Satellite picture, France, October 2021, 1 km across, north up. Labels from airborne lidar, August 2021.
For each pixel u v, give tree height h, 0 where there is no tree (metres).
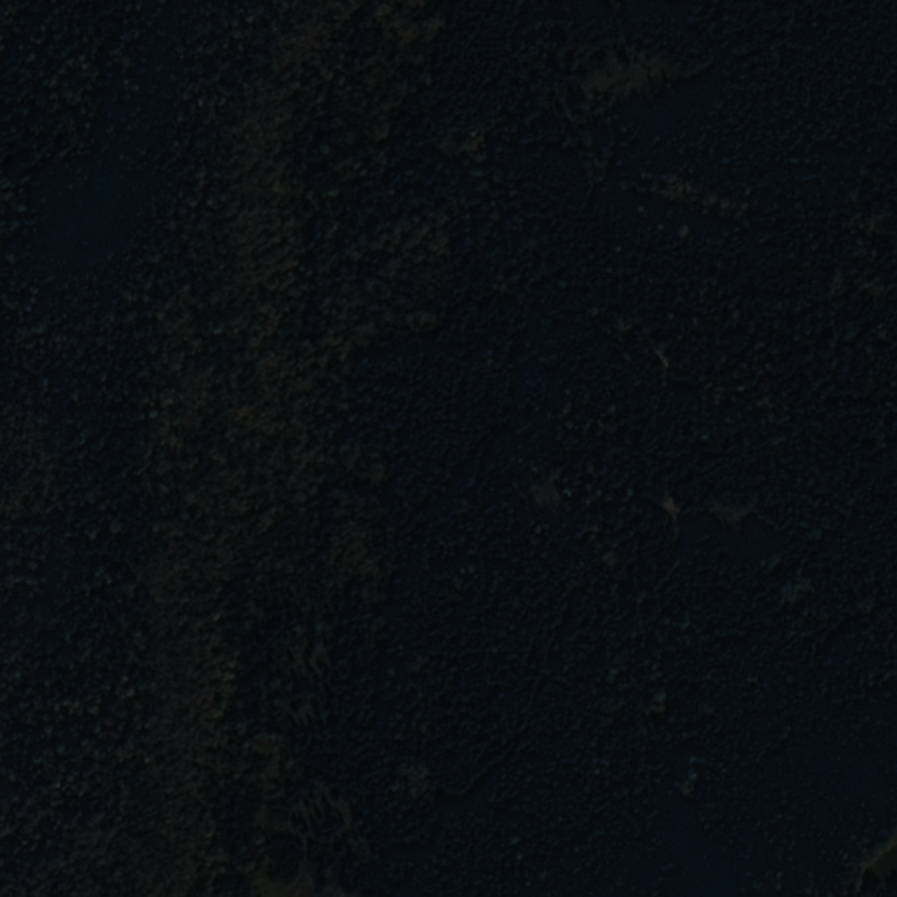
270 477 10
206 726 21
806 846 31
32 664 18
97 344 13
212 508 20
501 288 23
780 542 30
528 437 32
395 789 14
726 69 22
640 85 0
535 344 10
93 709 19
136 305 12
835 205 28
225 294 13
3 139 24
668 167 32
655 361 9
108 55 19
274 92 25
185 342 16
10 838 8
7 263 17
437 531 26
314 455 19
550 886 24
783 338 26
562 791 29
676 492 20
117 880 20
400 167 15
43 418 26
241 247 15
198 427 11
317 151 26
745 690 22
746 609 25
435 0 25
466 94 30
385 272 28
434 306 24
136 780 15
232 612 23
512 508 27
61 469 22
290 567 25
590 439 20
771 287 20
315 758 13
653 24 30
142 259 18
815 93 29
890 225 19
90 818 23
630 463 29
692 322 27
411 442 31
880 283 17
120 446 26
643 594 26
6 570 31
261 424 21
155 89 24
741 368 23
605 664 32
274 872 11
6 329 31
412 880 28
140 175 24
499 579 30
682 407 27
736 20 29
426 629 21
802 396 30
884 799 27
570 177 24
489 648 23
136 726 20
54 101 17
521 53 28
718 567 26
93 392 19
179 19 25
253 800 27
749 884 30
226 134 14
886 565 33
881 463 30
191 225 14
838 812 33
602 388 32
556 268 21
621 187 23
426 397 25
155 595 11
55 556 19
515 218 27
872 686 25
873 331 23
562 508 21
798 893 28
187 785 20
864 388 28
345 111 29
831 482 29
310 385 26
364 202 24
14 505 30
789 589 31
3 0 30
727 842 31
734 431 25
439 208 29
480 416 28
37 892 21
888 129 26
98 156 15
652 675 26
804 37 14
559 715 23
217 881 18
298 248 15
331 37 28
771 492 27
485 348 25
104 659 12
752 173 37
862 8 19
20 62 20
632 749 28
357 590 27
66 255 24
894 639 27
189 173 14
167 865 15
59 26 19
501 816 10
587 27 27
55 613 14
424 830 15
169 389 18
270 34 17
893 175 28
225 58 16
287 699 6
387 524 24
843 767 34
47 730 21
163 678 9
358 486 16
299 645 7
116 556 27
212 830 20
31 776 19
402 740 25
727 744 30
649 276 28
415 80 28
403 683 26
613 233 22
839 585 28
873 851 16
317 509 16
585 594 21
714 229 6
